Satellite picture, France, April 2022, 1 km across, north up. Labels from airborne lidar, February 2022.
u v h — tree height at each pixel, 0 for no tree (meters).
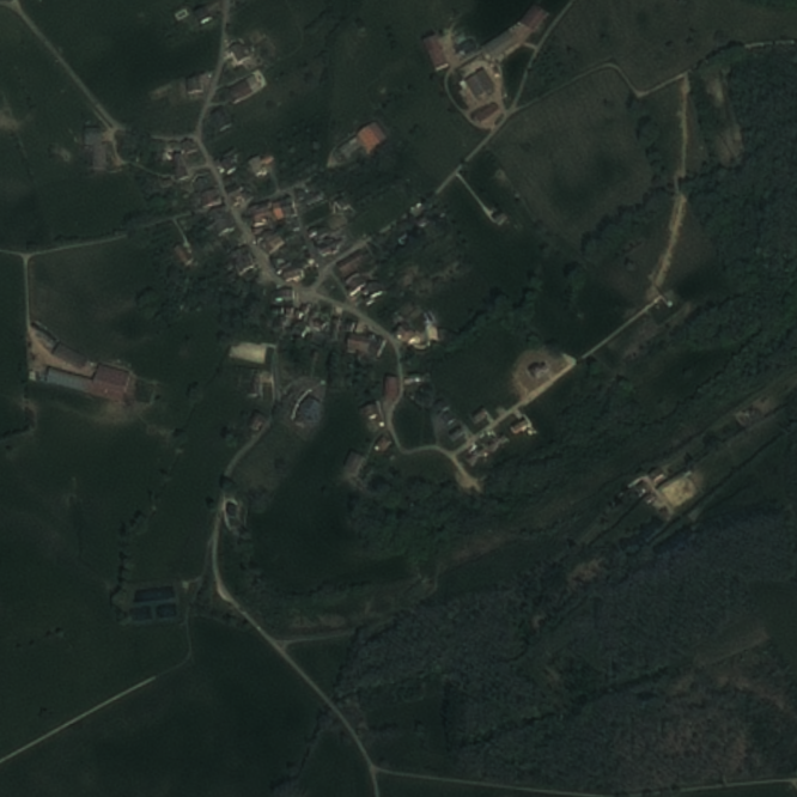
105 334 0
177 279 16
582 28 0
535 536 9
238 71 8
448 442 0
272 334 0
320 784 0
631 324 0
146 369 0
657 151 11
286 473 13
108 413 0
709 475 0
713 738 17
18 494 0
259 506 22
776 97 22
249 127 0
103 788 0
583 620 5
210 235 8
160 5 0
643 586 25
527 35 0
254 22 0
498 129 0
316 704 0
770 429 0
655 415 0
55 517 0
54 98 0
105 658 0
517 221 0
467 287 0
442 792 0
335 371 7
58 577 0
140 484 0
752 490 0
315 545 0
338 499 0
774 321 15
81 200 0
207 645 0
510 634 26
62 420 0
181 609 0
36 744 0
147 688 0
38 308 0
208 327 0
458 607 29
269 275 0
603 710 24
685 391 0
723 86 0
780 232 29
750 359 15
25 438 0
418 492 23
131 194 0
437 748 0
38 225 0
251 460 0
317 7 0
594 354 0
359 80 0
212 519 0
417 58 0
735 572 26
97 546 0
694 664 0
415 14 0
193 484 0
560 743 25
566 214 0
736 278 23
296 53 0
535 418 0
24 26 0
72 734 0
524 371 0
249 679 0
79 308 0
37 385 0
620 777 18
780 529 26
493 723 23
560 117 0
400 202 0
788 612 0
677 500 0
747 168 17
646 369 0
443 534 20
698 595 26
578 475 12
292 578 0
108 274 0
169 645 0
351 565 0
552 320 0
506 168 0
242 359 0
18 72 0
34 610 0
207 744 0
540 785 13
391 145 15
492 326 12
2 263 0
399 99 7
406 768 0
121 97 0
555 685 0
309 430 0
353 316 0
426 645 22
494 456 0
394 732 16
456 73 0
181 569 0
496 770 24
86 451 0
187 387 0
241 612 0
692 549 21
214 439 0
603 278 0
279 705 0
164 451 0
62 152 0
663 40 0
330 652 0
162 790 0
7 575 0
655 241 0
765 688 0
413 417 0
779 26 0
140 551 0
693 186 15
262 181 0
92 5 0
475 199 0
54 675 0
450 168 0
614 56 0
